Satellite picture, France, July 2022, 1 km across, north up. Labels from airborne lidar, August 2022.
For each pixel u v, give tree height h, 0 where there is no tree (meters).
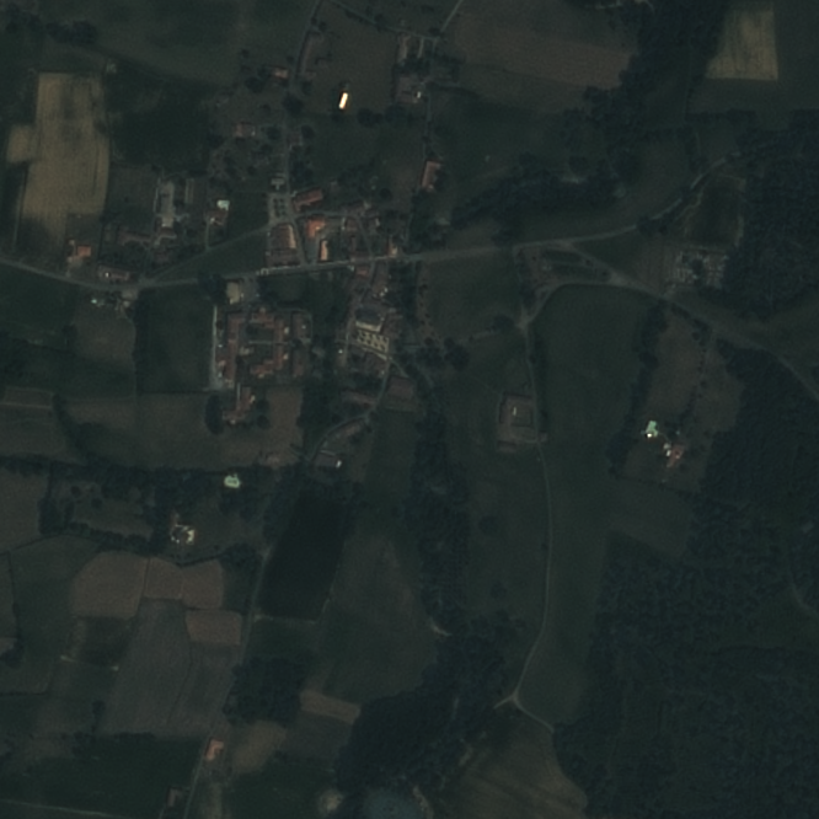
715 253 0
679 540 0
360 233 0
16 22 7
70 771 0
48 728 0
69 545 0
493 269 0
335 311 9
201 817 0
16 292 0
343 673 0
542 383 0
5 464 14
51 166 0
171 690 0
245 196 0
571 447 0
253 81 13
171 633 0
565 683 0
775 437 17
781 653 10
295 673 17
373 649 0
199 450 0
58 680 0
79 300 0
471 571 0
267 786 0
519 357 0
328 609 0
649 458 0
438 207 0
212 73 0
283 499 20
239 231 0
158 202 0
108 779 0
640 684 16
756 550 18
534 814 0
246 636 0
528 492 0
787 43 0
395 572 0
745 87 0
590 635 0
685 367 0
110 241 0
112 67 0
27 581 0
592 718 8
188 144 0
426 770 18
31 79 0
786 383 26
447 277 0
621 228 0
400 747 17
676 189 0
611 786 23
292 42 0
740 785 25
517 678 0
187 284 0
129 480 23
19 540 0
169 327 0
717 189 0
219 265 0
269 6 0
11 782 0
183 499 28
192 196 0
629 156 15
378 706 15
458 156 0
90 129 0
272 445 0
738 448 12
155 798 0
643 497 0
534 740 0
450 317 0
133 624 0
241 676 18
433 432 17
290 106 17
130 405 0
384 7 0
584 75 0
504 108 0
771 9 0
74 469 15
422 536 14
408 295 6
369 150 0
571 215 0
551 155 0
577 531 0
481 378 0
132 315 10
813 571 6
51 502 12
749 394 12
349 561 0
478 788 0
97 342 0
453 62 6
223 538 0
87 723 0
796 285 18
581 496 0
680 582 26
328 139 0
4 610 0
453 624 24
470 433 0
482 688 22
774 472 16
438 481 13
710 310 0
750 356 16
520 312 0
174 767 0
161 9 0
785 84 0
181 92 0
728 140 0
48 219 0
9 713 0
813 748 16
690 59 0
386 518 0
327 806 0
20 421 0
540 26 0
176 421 0
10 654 13
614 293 0
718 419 0
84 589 0
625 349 0
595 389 0
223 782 0
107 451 0
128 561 0
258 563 18
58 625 0
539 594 0
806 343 0
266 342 0
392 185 0
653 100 0
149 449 0
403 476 0
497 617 0
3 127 0
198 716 0
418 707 15
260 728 0
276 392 0
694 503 12
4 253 0
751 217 19
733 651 8
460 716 13
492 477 0
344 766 19
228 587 0
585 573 0
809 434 11
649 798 21
